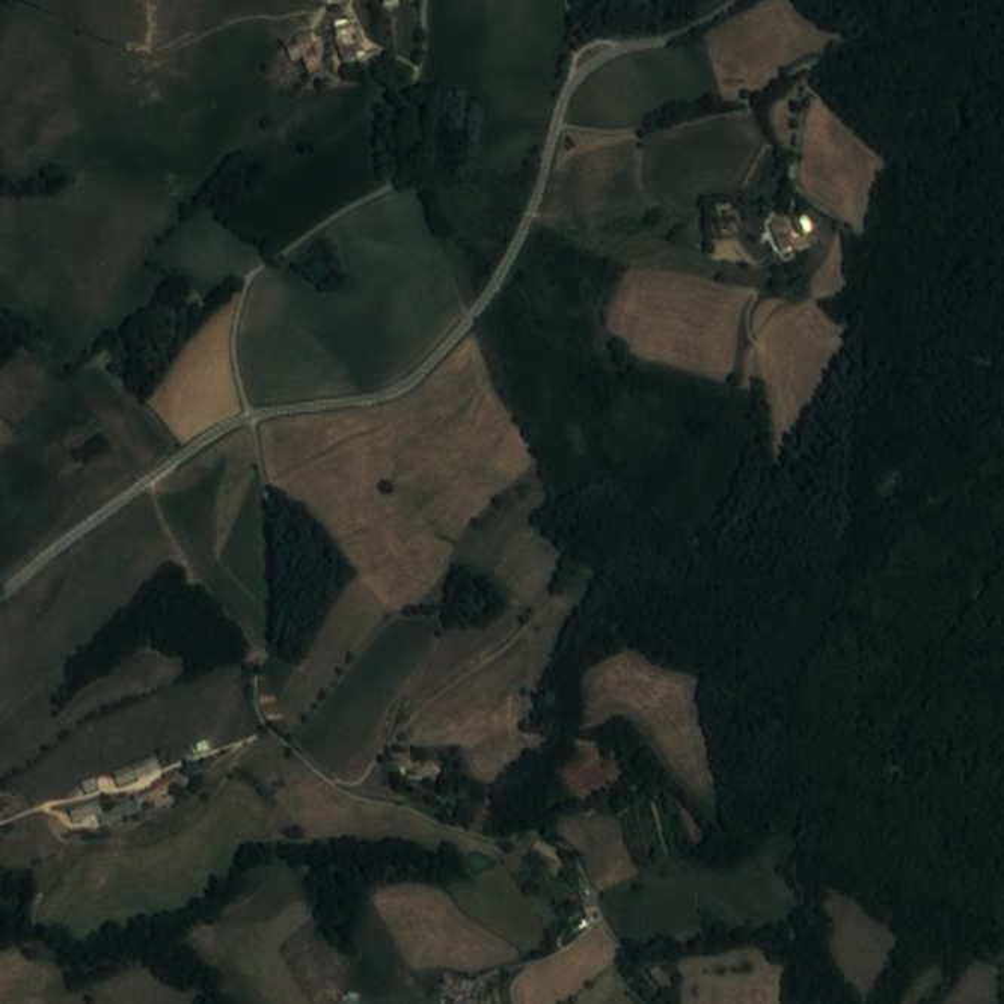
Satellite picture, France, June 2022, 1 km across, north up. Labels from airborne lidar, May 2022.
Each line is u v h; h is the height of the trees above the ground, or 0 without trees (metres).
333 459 0
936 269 11
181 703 0
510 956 0
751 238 7
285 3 0
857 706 17
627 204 0
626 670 0
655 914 0
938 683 23
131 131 0
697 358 0
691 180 0
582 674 10
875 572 13
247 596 0
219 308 14
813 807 17
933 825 18
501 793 10
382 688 0
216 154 0
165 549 0
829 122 0
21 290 0
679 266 0
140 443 0
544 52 0
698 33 18
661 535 15
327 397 0
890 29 20
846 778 22
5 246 0
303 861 23
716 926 8
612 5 26
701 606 18
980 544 16
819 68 12
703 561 18
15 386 0
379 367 0
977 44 14
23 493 0
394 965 0
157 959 20
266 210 0
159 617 10
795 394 0
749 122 0
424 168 20
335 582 29
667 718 0
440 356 0
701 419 7
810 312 0
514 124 0
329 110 0
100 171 0
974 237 7
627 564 14
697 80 0
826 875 10
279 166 0
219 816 0
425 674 0
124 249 0
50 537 0
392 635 0
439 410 0
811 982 15
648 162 0
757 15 0
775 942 14
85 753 0
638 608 15
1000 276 17
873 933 0
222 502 0
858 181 0
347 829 0
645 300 0
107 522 0
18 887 6
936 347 20
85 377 0
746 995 0
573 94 0
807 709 18
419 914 0
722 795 18
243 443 0
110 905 0
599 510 15
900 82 19
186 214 14
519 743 0
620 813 9
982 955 13
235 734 0
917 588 19
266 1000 0
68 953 20
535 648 0
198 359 0
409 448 0
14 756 0
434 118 24
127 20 0
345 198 0
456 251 0
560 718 14
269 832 0
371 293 0
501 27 0
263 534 0
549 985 0
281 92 0
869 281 11
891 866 21
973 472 13
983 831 19
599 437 7
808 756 21
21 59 0
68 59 0
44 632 0
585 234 0
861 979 0
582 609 12
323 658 0
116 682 0
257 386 0
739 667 14
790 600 21
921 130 24
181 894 0
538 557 0
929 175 19
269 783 0
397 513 0
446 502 0
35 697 0
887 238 7
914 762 25
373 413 0
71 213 0
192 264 0
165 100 0
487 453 0
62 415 0
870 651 15
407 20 0
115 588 0
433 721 0
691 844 12
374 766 0
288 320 0
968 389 18
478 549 0
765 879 0
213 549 0
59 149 0
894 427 19
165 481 0
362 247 0
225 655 9
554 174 0
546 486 7
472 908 0
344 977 0
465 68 0
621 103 0
